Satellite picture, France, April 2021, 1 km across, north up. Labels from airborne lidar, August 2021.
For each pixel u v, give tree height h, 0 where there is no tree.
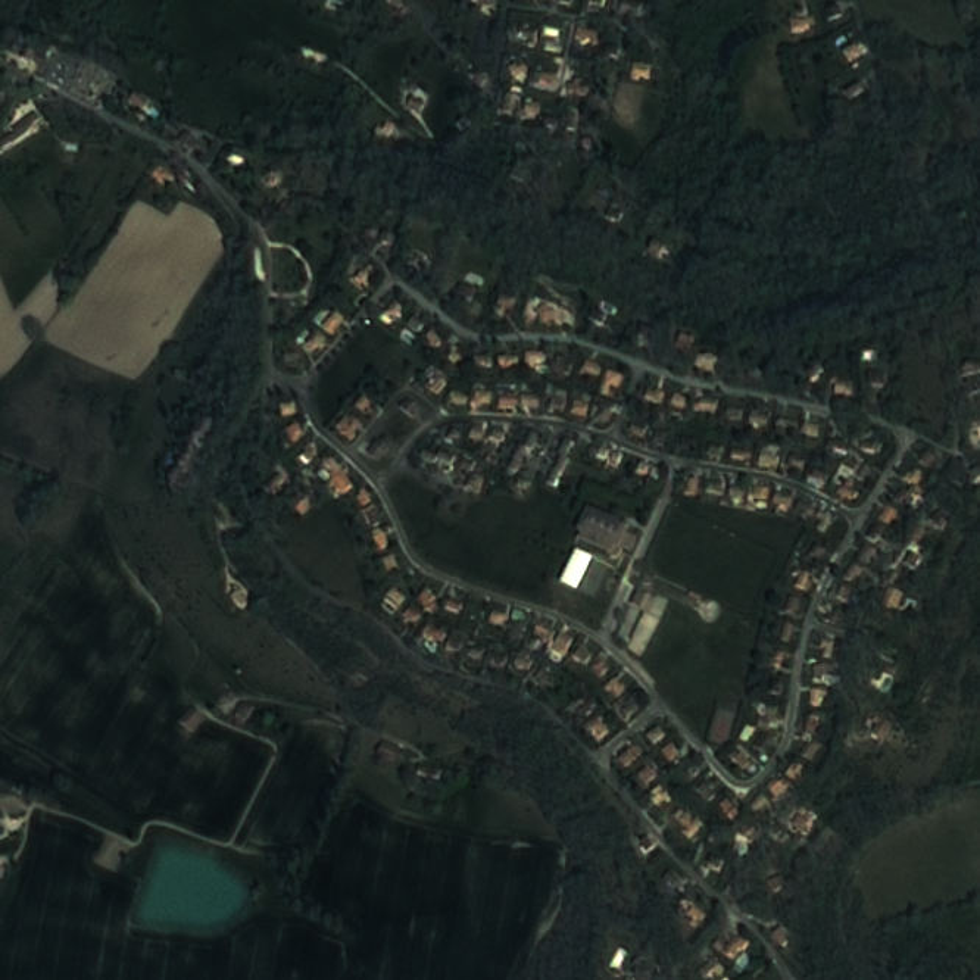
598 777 15
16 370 0
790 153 18
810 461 9
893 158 14
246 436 13
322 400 0
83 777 0
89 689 0
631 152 0
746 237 21
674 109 6
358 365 0
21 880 0
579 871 9
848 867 23
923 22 0
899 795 23
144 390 0
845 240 8
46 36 6
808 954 11
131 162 0
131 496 0
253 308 20
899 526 10
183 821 0
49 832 0
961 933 0
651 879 9
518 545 0
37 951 0
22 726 0
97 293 0
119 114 7
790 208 15
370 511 0
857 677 18
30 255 0
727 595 0
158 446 0
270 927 0
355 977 0
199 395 12
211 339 7
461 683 11
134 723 0
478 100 13
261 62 0
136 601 0
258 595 16
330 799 16
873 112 19
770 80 0
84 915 0
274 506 15
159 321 0
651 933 15
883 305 12
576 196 8
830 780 17
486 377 13
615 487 12
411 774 17
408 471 0
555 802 13
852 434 15
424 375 8
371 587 11
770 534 0
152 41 7
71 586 0
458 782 15
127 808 0
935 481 11
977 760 0
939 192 12
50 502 24
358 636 12
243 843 0
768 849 15
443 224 15
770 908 18
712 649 0
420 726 0
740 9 7
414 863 0
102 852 0
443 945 0
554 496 0
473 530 0
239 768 0
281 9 0
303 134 20
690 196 15
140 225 0
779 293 16
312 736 0
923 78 6
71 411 0
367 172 21
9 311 0
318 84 0
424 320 9
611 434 0
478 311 0
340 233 6
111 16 7
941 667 7
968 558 17
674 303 13
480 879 0
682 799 16
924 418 6
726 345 11
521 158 13
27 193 0
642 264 6
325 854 0
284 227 12
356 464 0
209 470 17
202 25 0
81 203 12
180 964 0
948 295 12
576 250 22
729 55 13
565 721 14
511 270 9
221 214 5
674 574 0
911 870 0
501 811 0
